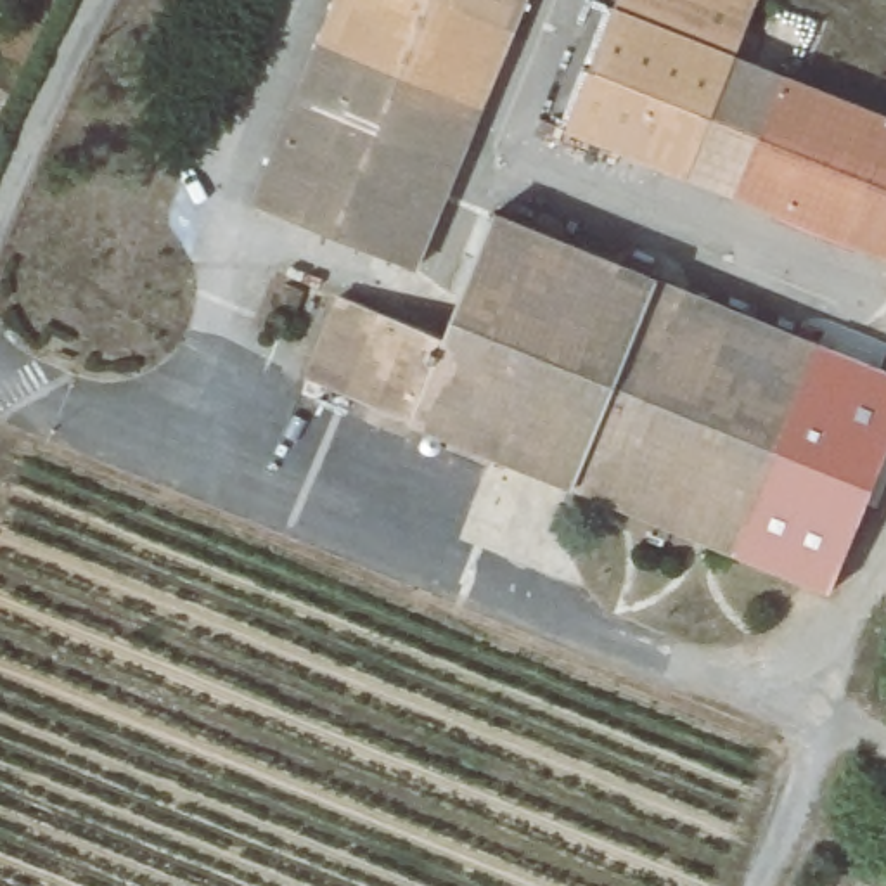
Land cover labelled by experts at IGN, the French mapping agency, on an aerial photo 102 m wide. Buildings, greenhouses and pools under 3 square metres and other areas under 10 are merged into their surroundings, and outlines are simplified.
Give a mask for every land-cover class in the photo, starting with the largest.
<instances>
[{"label":"vineyard","instance_id":"1","mask_svg":"<svg viewBox=\"0 0 886 886\"><path fill-rule=\"evenodd\" d=\"M761 748L706 734L671 713L588 685L526 651H502L491 640H481L408 606H398L370 588L350 585L318 568L305 561L242 540L235 533L215 530L208 523L187 519L166 505L142 502L128 491L107 488L97 478L76 474L73 467L55 464L48 457H28L17 485L0 481V886H716L713 865L737 838V827L730 820L737 817V796H748L751 782L758 779Z\"/></svg>","mask_w":886,"mask_h":886},{"label":"impervious surface","instance_id":"2","mask_svg":"<svg viewBox=\"0 0 886 886\"><path fill-rule=\"evenodd\" d=\"M111 7L104 0H83L76 21L69 24L59 45L55 66L24 121L17 152L0 183V253H3L7 228L17 215L21 194L38 170V159L48 145L52 128L76 87V76L107 21ZM332 0H294L287 10L284 48L266 66V80L260 83L249 114L239 118L232 132H225L218 145L180 177V190L170 208V228L194 263L197 298L183 343L145 367L128 374H107L87 367L62 356L59 339H48L35 350L0 318V419H10L17 429L31 436L55 429V440L93 457L97 467L111 464L128 474H142L149 485H163L204 505H218L232 516L256 519L277 533L291 526L301 543H311V554L305 561L318 568L322 561H350L363 564L367 571L412 581L415 588H426L433 595L457 592L460 599H471L481 613L502 623L523 620L533 626V633L568 637L592 651H602L606 658L658 668L678 692L713 696L765 723H775L789 741V772L775 806L789 817V824L803 831L813 803L820 796V782L831 761L841 754L831 744V706L844 692L858 654L862 626L872 616L876 602L886 595V471L879 474V485L855 530V540L844 554L831 595L813 592L799 595L789 606V616L768 633L751 630L744 613L727 599L720 575L713 571L706 575V592L713 606L723 613V620L741 630V640L734 647H696L671 640L665 630H654L665 616V606L685 588L678 575L665 578L661 571H640L633 561L637 543H675L665 530H654V523L626 519L623 533L626 564L616 616L588 602V595L578 588L581 571L575 561L550 530L557 505L568 498L561 495V488L526 478L512 467L481 471L474 460L460 453H433V443H419L415 433L398 436L356 415H346V398L329 401L322 395V384L311 381L308 367H301L291 343H260L263 315L273 305H291L305 308L311 318L322 311V305L350 298L377 315L398 318L429 336H443L450 322V305L464 301L485 239L491 232V218L498 215L533 232H543L557 242L613 260L665 287L703 294L730 311L751 315L782 332H793L799 339H810L817 346L886 370V260H872L824 235H799L789 225H779L761 208L748 204L741 194L720 197L703 187L640 170L623 149L599 152L595 145L568 135L561 145L550 149L547 135L564 114V97L578 80L592 35L599 28V14L613 7L609 0H526L530 7L516 24L502 69L478 114L471 145L433 228V260H426L415 270H405L353 246L318 239L315 232L287 218L256 208L260 177L270 166L280 118L311 111L315 104L301 83L311 69L315 52L322 48L315 35L325 24V7ZM813 45V21L782 10L765 28L751 17L737 59L793 80L803 66L806 48Z\"/></svg>","mask_w":886,"mask_h":886},{"label":"building","instance_id":"3","mask_svg":"<svg viewBox=\"0 0 886 886\"><path fill-rule=\"evenodd\" d=\"M530 7L526 0H332L325 7V24L315 35L322 48L315 52L311 69L301 83L315 104L311 111L280 118L270 166L260 177L256 208L287 218L315 232L318 239L353 246L405 270H415L426 260H433V228L471 145L478 114L502 69L516 24ZM613 7L599 14V28L592 35L578 80L564 97V114L547 135L550 149L561 145L568 135L595 145L599 152L623 149L640 170L703 187L720 197L741 194L748 204L761 208L779 225H789L799 235H824L872 260H886V114H876L869 107H858L851 100L793 80L737 59L751 17V0H609ZM301 367H308L311 381L322 384V395L329 401L346 398V415H356L398 436L415 433L419 443H433V453H460L474 460L481 471L512 467L526 478L561 488V495L568 498H609L616 512H623L626 519L654 523V530H665L675 543L692 550H706V564L713 571L720 575L734 561H741L761 575H772L782 585L779 592L789 599V606L799 595L813 592L831 595L844 554L855 540V530L879 485V474L886 471V370L817 346L810 339H799L793 332H782L751 315L730 311L703 294L665 287L613 260L557 242L543 232H533L498 215L491 218V232L485 239L464 301L450 305V322L443 336H429L398 318L377 315L350 298L322 305V311L311 318L305 339L291 343Z\"/></svg>","mask_w":886,"mask_h":886},{"label":"herbaceous vegetation","instance_id":"4","mask_svg":"<svg viewBox=\"0 0 886 886\"><path fill-rule=\"evenodd\" d=\"M111 7L107 21L76 76V87L52 128L48 145L66 149L80 142L90 125H125L138 121L145 111L125 90L142 80L138 48L145 28L156 21L152 7L159 0H104ZM751 17L765 28L782 10L813 21V45L806 48L803 66L793 80L851 100L858 107H869L876 114H886V0H751ZM93 152L107 166L62 194H52L48 180L38 170L21 194L17 215L7 228L3 253H21L24 266L17 291H0V315L14 305H24L35 329L59 318L76 329V339H59L62 356L87 367L90 353H104L107 360L142 353L145 367L183 343L197 298L194 263L170 228V208L180 190V177L159 173L152 163L142 166V149L128 142L125 152L97 145ZM28 457H48L55 464L73 467L76 474L97 478L107 488L128 491L142 502L166 505L187 519L208 523L215 530L235 533L242 540L305 561L311 554V543H301L291 526L277 533L256 519L232 516L218 505H204L163 485H149L142 474H128L111 464L97 467L93 457L55 440V429L31 436L17 429L10 419H0V481L17 485ZM581 571L578 588L588 595V602L616 616L626 564L623 533L602 536L592 550H585L575 561ZM713 571L706 564V550H692L689 568L678 575L685 588L665 606V616L654 630H665L671 640L696 647H734L741 640V630L723 620V613L713 606L706 592V575ZM350 585L370 588L398 606H408L481 640H491L502 651H526L588 685L671 713L706 734L761 748L758 779L751 782L748 796H737V817L730 820L737 827V838L713 865L716 886H744V872L758 851L765 820L775 806L789 772V741L775 723H765L713 696L678 692L658 668L606 658L602 651H592L568 637L533 633V626L523 620L502 623L481 613L471 599H460L457 592L433 595L426 588H415L412 581L367 571L363 564L350 561H322L318 568ZM727 599L744 613L754 595L779 592L782 585L772 575H761L741 561H734L720 575ZM844 692L886 723V595L876 602L872 616L862 626L858 654ZM831 838L824 810L813 803L803 831L775 886H796L810 851Z\"/></svg>","mask_w":886,"mask_h":886},{"label":"deciduous trees","instance_id":"5","mask_svg":"<svg viewBox=\"0 0 886 886\"><path fill-rule=\"evenodd\" d=\"M294 0H159L152 7L156 21L145 28L138 48L142 80L125 90L145 111L138 121L125 125L128 142L142 149V166L152 163L159 173L180 177L218 145L225 132H232L239 118L249 114L260 83L266 80V66L284 48L287 10ZM311 318L305 308L291 305H273L263 315L260 343H291L305 339ZM633 561L640 571H661L665 578L678 575L689 568L692 550L675 543H637ZM789 616V599L779 592L754 595L744 613L751 630L768 633ZM813 803L824 810L831 838L810 851L796 886H886V758L872 744H858L855 751L841 754L831 761L820 782V796Z\"/></svg>","mask_w":886,"mask_h":886},{"label":"brushwood","instance_id":"6","mask_svg":"<svg viewBox=\"0 0 886 886\"><path fill-rule=\"evenodd\" d=\"M83 0H0V183L17 152L24 121L55 66L59 45L69 24L76 21ZM97 145L125 152L128 142L125 125H90L80 142L66 149L48 145L38 159V170L48 180L52 194H62L107 166L93 152ZM24 266L21 253H0V291H17ZM0 318L35 350L48 339H76V329L59 318L35 329L24 305H14L0 315ZM145 367L142 353L107 360L104 353H90L87 367L107 374H128Z\"/></svg>","mask_w":886,"mask_h":886},{"label":"pervious surface","instance_id":"7","mask_svg":"<svg viewBox=\"0 0 886 886\"><path fill-rule=\"evenodd\" d=\"M831 744L841 754L855 751L858 744H872L886 758V723L844 692L831 706ZM803 831L789 824V817L775 806L765 820L758 851L744 872V886H775Z\"/></svg>","mask_w":886,"mask_h":886},{"label":"coniferous trees","instance_id":"8","mask_svg":"<svg viewBox=\"0 0 886 886\"><path fill-rule=\"evenodd\" d=\"M626 519L623 512H616L609 498H568L557 505L550 530L575 561L585 550H592L602 536L623 533Z\"/></svg>","mask_w":886,"mask_h":886}]
</instances>
